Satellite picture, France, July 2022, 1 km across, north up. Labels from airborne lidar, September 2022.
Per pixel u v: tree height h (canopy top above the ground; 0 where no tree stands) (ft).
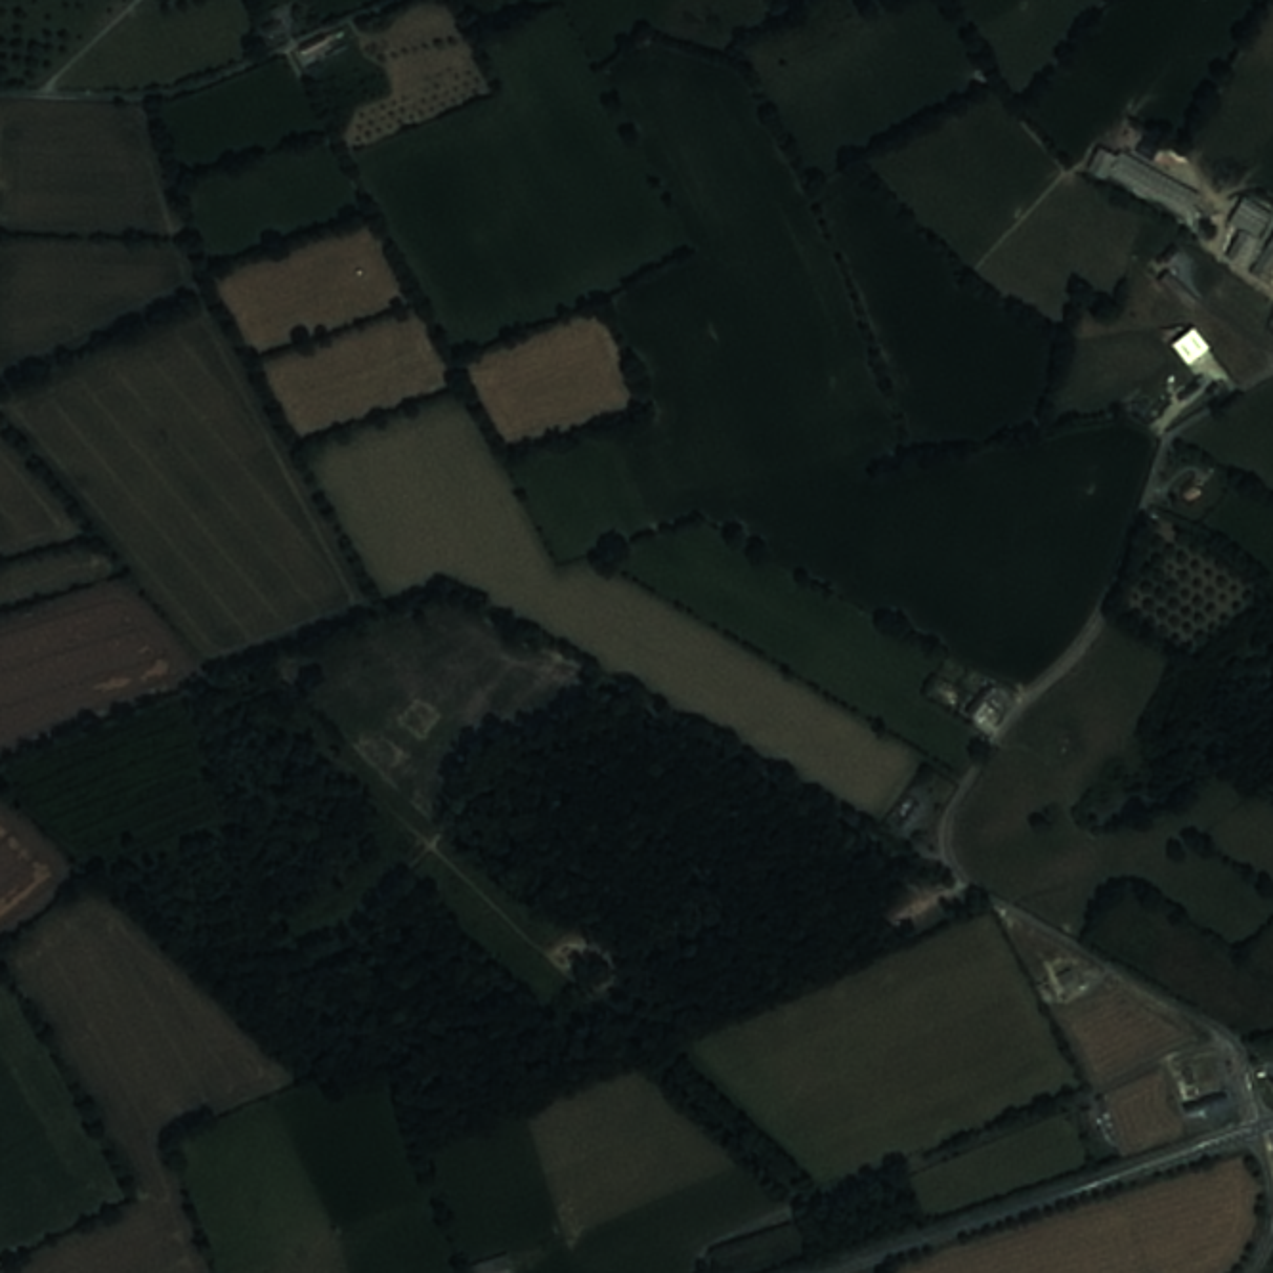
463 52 0
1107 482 0
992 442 20
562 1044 74
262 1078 0
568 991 34
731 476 0
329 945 60
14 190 0
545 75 0
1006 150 0
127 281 0
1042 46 0
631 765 68
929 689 21
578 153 0
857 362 0
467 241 0
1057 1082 0
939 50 0
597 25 0
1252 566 58
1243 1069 0
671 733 66
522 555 0
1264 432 0
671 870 63
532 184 0
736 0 0
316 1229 0
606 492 0
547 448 38
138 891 51
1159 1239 0
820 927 76
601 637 0
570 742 80
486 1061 76
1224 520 0
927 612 0
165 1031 0
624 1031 73
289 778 56
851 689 0
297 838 18
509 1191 0
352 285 0
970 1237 30
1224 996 0
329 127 35
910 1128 0
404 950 70
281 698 54
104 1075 0
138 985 0
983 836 0
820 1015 0
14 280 0
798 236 0
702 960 73
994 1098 0
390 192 0
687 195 0
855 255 0
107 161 0
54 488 37
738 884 55
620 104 52
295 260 0
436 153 0
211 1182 0
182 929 55
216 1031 0
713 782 74
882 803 0
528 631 50
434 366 0
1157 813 31
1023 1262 0
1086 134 0
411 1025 63
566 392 0
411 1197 0
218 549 0
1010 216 0
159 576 0
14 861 0
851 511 0
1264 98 0
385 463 0
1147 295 0
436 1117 82
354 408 0
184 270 0
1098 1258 0
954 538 0
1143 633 57
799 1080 0
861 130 0
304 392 0
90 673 0
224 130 0
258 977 60
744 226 0
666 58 0
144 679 0
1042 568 0
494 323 0
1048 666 0
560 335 0
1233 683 44
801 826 67
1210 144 0
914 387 0
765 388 0
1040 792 0
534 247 0
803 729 0
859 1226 72
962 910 52
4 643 0
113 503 0
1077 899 0
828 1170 0
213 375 0
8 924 0
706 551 0
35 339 0
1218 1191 0
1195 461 21
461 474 0
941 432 0
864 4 57
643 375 59
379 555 0
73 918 0
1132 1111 0
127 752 0
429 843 0
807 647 0
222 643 0
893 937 64
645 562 0
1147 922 0
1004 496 0
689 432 0
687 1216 0
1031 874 0
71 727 39
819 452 0
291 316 0
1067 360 45
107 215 0
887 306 0
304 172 0
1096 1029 0
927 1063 0
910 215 51
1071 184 0
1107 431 0
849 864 69
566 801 70
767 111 57
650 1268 0
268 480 0
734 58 38
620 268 0
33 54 21
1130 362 0
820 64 0
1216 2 0
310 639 62
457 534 0
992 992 0
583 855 60
